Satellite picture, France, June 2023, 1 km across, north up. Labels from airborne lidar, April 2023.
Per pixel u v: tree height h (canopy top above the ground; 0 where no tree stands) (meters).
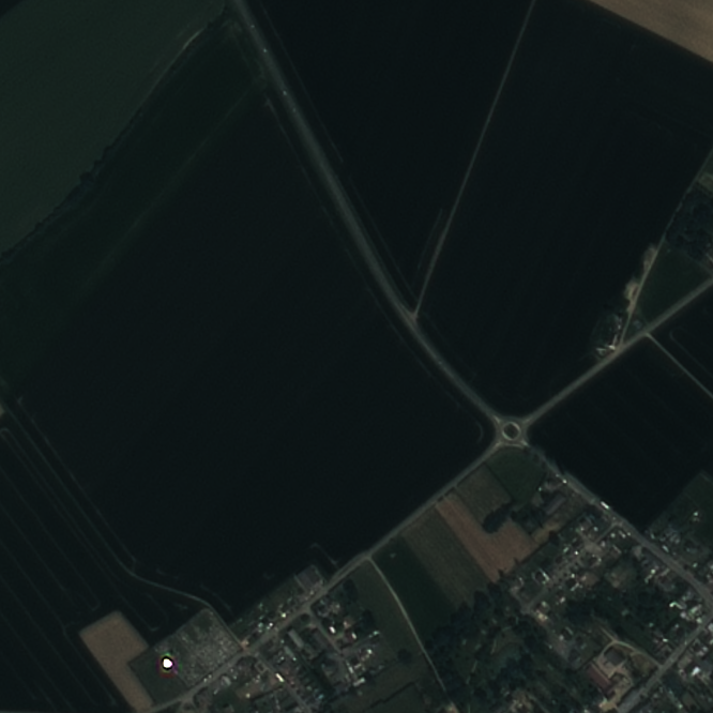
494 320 0
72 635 0
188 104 0
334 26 0
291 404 0
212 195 0
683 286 0
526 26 0
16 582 0
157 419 0
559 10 0
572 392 0
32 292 0
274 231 0
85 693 0
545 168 0
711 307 0
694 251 15
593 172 0
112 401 0
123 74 0
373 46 0
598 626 0
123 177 0
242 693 0
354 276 0
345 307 0
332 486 0
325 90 0
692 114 0
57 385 0
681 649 0
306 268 0
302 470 0
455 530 0
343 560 0
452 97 0
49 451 0
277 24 0
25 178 0
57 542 0
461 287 0
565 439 0
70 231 0
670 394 0
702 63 0
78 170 0
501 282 0
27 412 0
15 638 0
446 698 11
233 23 0
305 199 0
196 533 0
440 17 0
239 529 0
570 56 0
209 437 0
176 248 0
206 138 0
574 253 0
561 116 0
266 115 0
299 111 0
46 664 0
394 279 0
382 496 0
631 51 0
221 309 0
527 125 0
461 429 0
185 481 0
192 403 0
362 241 0
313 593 0
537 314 0
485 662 6
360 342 0
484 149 0
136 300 0
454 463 0
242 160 0
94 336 0
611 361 0
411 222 0
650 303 0
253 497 0
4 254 10
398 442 0
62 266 0
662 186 0
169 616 0
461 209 0
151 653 0
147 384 0
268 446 0
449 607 0
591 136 0
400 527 0
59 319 0
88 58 0
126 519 0
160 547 0
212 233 0
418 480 0
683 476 0
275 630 0
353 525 0
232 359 0
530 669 9
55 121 0
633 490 0
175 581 0
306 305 0
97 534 0
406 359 0
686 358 0
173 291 0
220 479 0
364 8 0
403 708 0
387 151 0
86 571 0
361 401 0
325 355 0
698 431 0
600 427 0
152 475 0
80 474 0
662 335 0
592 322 0
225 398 0
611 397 0
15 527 0
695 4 0
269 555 0
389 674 0
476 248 0
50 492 0
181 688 0
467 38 0
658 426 0
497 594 23
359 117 0
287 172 0
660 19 0
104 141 0
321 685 6
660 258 0
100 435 0
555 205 0
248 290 0
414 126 0
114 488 0
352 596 11
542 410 0
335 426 0
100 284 0
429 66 0
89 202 0
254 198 0
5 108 0
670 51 0
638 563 11
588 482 0
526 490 0
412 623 0
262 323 0
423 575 0
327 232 0
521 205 0
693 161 0
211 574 0
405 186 0
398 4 0
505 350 0
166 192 0
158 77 0
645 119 0
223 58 0
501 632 7
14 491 0
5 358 0
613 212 0
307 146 0
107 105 0
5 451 0
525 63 0
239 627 0
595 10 0
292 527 0
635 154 0
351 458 0
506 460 0
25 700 0
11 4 0
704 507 0
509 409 0
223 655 0
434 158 0
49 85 0
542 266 0
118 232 0
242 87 0
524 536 0
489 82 0
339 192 0
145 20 0
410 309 0
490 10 0
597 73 0
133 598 0
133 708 0
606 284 0
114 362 0
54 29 0
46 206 0
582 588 0
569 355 0
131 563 0
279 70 0
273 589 0
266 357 0
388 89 0
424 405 0
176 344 0
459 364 0
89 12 0
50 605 0
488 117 0
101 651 0
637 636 0
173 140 0
